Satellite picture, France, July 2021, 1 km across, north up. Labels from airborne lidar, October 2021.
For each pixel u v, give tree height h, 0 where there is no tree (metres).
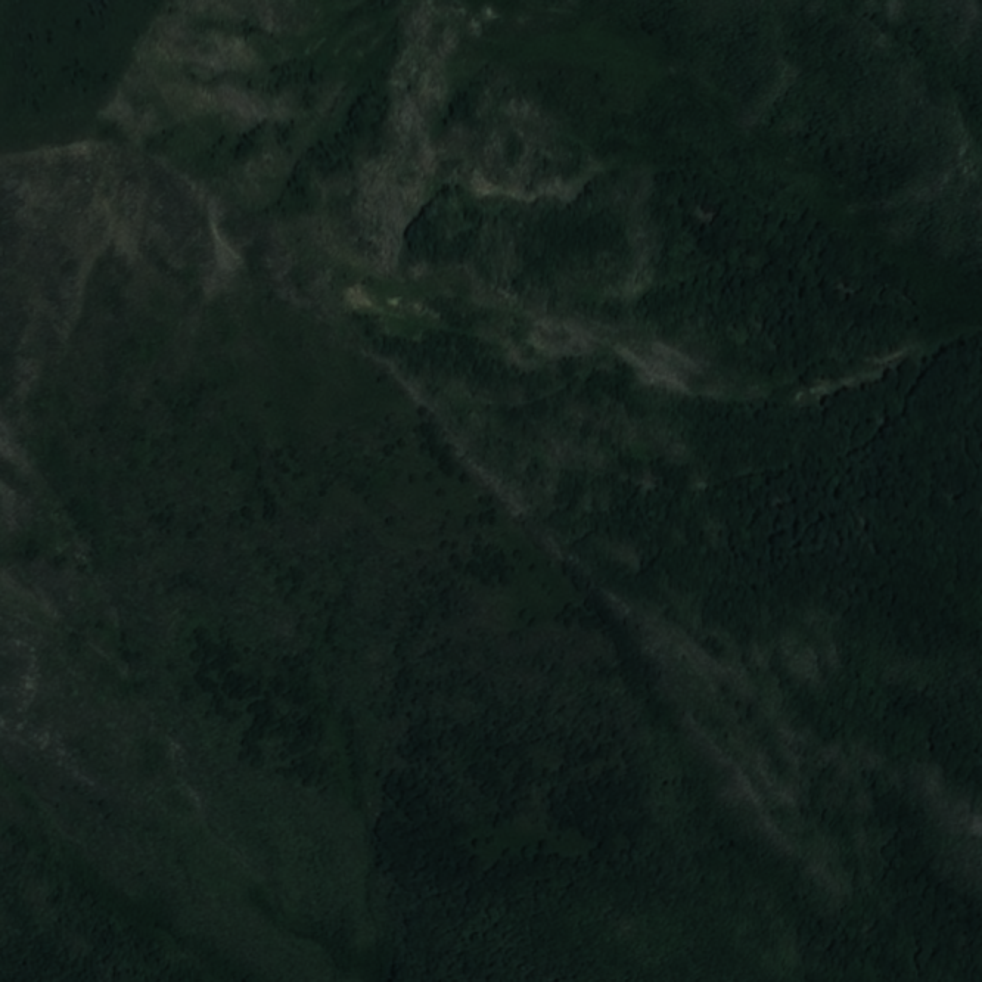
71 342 0
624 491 9
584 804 13
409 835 14
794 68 9
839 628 8
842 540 30
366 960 6
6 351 0
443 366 9
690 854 13
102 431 8
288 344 0
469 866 13
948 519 27
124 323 0
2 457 0
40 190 0
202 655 7
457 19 0
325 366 0
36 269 0
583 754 6
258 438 0
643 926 5
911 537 20
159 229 0
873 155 11
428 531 0
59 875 9
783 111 18
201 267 0
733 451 11
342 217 0
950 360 27
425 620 10
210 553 0
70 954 11
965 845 7
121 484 0
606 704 9
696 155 13
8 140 0
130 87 0
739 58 10
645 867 13
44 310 0
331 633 7
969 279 17
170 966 15
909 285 11
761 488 13
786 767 11
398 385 0
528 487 8
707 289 22
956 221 11
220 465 0
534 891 10
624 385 10
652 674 8
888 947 26
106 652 0
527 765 9
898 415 25
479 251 6
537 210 6
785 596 13
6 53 0
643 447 0
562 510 10
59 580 0
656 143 8
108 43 0
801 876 9
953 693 16
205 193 0
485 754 11
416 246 7
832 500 26
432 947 12
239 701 9
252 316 0
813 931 18
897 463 24
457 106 9
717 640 7
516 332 11
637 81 0
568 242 11
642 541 10
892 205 7
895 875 18
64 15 0
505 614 0
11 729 0
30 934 7
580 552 9
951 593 21
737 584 10
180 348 0
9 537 0
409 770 7
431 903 13
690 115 11
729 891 9
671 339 7
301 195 6
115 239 0
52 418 0
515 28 0
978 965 29
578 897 13
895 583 24
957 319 8
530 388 8
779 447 11
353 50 0
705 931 8
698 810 21
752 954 8
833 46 11
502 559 12
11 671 0
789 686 14
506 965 14
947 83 13
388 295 0
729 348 8
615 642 9
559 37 0
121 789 0
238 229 0
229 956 7
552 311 6
